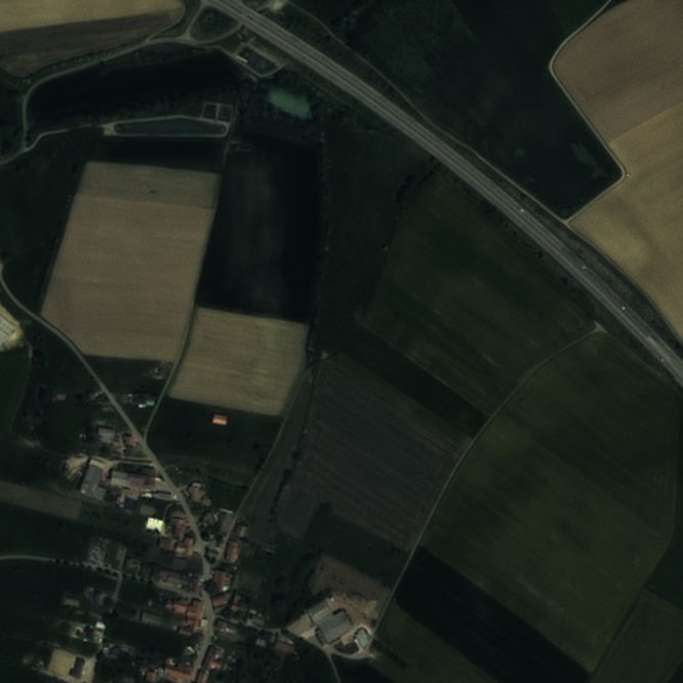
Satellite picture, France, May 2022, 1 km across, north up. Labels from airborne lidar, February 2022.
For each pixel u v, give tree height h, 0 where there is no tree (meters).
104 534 0
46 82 0
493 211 13
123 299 0
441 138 0
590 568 0
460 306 0
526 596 0
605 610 0
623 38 0
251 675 0
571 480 0
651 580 0
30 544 0
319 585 0
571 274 0
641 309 0
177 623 0
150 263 0
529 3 0
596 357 0
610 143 0
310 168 0
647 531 0
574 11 0
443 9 0
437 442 0
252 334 0
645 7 0
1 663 0
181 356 0
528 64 0
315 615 0
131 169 0
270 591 0
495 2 0
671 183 0
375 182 0
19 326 0
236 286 0
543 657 0
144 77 0
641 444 0
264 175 0
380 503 0
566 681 0
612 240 0
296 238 0
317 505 0
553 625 0
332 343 0
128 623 0
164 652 0
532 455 0
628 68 0
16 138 15
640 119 0
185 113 0
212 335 0
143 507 0
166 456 0
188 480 0
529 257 0
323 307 0
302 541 0
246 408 0
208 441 0
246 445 0
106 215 0
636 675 0
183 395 0
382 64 0
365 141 0
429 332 0
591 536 0
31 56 0
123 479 0
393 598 0
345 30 13
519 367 0
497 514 0
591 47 0
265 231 0
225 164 0
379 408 0
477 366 0
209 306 0
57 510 0
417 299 0
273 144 0
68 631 0
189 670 0
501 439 0
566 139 0
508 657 0
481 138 0
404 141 0
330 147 0
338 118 12
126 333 0
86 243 0
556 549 0
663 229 0
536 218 0
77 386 0
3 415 0
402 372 0
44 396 16
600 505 0
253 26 0
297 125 17
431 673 0
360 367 0
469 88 0
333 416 0
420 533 0
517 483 0
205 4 0
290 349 0
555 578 0
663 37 0
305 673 0
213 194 0
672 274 0
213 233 0
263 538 0
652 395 0
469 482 0
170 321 0
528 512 0
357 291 0
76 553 0
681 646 0
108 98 0
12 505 0
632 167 0
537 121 0
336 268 0
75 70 0
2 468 0
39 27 0
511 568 0
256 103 19
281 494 7
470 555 0
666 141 0
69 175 0
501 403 0
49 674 0
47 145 0
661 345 0
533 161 0
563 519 0
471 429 0
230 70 0
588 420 0
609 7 0
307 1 0
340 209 0
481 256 0
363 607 0
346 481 0
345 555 0
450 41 0
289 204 0
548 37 0
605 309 0
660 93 0
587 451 0
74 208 0
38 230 0
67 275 0
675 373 0
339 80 0
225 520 0
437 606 0
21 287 0
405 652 0
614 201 0
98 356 0
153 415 0
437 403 0
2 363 0
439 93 0
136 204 0
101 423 0
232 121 0
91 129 0
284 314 0
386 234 0
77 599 0
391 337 0
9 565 0
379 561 0
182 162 0
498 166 0
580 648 0
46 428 0
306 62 0
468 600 0
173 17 0
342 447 0
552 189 0
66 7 0
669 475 0
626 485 0
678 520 0
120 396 0
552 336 0
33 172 0
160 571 0
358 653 0
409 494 0
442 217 0
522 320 0
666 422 0
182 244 0
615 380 0
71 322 0
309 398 0
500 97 0
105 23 0
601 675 0
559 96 0
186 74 0
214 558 10
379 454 0
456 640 0
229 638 0
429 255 0
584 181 0
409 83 0
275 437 0
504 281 0
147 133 0
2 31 0
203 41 0
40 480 0
